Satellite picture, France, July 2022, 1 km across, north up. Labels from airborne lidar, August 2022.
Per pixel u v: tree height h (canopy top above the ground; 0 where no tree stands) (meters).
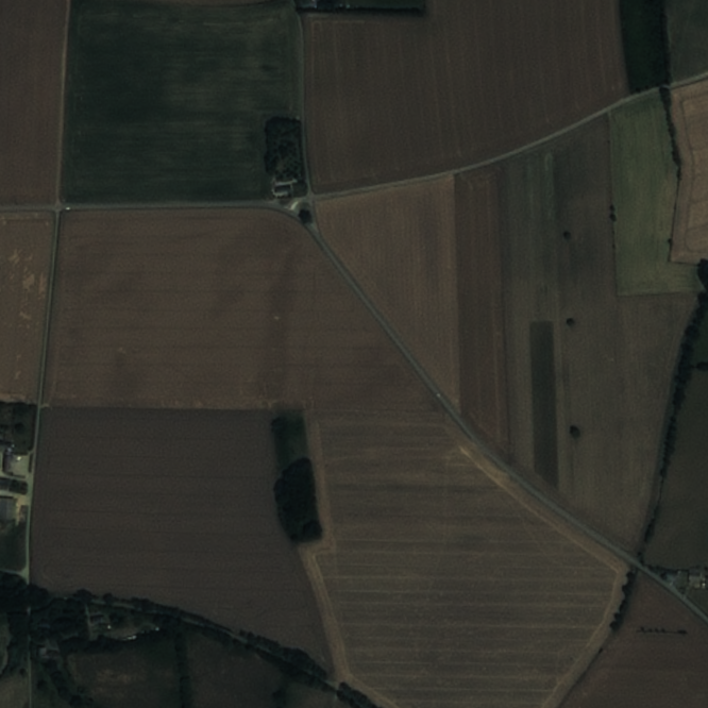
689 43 0
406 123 0
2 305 0
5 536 0
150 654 0
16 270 0
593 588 0
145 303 0
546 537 0
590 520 0
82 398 0
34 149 0
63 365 0
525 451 0
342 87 0
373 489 0
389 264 0
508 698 0
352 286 0
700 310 7
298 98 0
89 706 6
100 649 13
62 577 0
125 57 0
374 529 0
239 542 0
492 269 0
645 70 0
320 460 0
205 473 0
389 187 0
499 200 0
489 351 0
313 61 0
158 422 0
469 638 0
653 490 0
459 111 0
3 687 0
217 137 0
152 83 0
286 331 0
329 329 0
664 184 0
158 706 0
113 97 0
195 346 0
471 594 0
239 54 0
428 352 0
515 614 0
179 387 0
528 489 0
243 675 0
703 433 0
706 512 0
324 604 0
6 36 0
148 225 0
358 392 0
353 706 13
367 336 0
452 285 0
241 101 0
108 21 0
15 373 0
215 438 0
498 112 0
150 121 0
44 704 0
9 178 0
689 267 0
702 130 0
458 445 0
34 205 0
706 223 0
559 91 0
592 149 0
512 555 0
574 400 0
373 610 0
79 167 0
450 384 0
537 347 0
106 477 0
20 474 0
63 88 0
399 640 0
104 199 0
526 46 0
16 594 16
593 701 0
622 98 0
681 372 12
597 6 0
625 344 0
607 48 0
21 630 14
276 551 0
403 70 0
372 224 0
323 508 0
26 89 0
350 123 0
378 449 0
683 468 0
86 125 0
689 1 0
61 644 13
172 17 0
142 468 0
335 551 0
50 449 0
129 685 0
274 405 0
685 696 0
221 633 10
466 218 0
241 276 0
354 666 0
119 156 0
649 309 0
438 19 0
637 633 0
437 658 0
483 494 0
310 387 0
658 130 0
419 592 0
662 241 0
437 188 0
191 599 0
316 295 0
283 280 0
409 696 0
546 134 0
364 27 0
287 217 0
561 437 0
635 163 0
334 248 0
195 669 0
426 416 0
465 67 0
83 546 0
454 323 0
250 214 0
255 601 0
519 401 0
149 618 7
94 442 0
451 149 0
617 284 0
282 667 13
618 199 0
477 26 0
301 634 0
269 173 11
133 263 0
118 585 0
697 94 0
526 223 0
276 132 6
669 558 0
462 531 0
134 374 0
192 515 0
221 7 0
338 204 0
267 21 0
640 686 0
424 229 0
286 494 23
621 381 0
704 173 0
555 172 0
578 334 0
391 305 0
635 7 0
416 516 0
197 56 0
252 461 0
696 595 0
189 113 0
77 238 0
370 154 0
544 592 0
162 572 0
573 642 0
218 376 0
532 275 0
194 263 0
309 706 0
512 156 0
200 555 0
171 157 0
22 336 0
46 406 0
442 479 0
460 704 0
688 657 0
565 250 0
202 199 0
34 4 0
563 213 0
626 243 0
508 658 0
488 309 0
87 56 0
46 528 0
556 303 0
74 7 0
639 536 0
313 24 0
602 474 0
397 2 0
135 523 0
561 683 0
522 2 0
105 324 0
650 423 0
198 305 0
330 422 0
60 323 0
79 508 0
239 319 0
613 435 0
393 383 0
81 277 0
